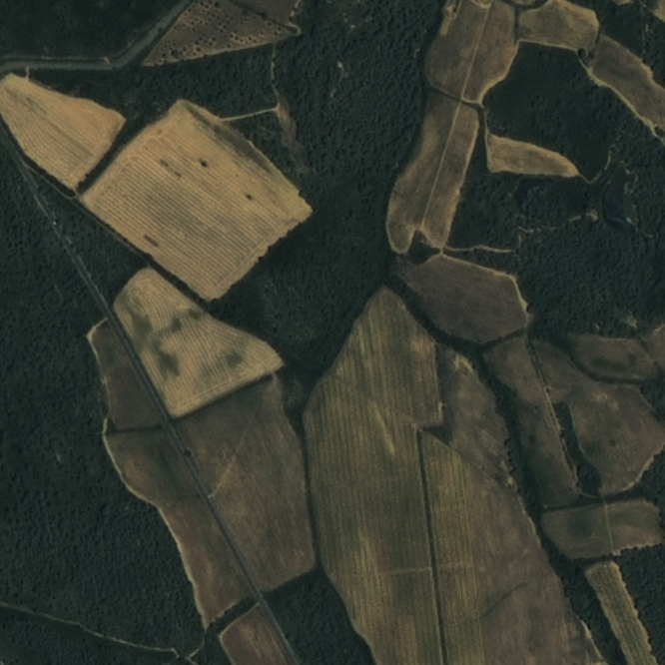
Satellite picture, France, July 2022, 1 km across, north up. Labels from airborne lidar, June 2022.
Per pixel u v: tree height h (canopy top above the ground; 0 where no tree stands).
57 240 8
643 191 10
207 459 0
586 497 9
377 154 9
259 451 0
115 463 0
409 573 0
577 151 8
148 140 0
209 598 0
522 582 0
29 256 11
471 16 0
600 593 0
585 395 0
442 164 0
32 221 9
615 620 0
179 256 0
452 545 0
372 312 0
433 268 0
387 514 0
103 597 9
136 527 10
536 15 0
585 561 7
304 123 16
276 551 0
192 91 9
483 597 0
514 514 0
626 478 0
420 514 0
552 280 11
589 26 0
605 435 0
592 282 11
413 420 0
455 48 0
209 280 0
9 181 10
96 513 7
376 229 9
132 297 0
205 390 0
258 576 0
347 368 0
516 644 0
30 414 8
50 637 14
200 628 12
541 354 0
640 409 0
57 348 10
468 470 0
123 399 0
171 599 8
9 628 10
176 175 0
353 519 0
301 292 11
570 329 7
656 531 0
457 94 0
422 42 15
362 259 6
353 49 14
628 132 13
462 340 7
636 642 0
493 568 0
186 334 0
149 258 10
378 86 12
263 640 0
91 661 11
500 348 0
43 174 8
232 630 0
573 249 12
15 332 11
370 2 8
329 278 7
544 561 0
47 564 13
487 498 0
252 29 0
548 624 0
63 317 11
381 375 0
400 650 0
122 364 0
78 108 0
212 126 0
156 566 7
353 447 0
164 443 0
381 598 0
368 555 0
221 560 0
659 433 0
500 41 0
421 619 0
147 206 0
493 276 0
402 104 11
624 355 0
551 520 0
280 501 0
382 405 0
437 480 0
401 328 0
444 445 0
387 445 0
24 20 6
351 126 12
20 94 0
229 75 9
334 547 0
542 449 0
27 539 11
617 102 11
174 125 0
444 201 0
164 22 0
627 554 12
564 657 0
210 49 0
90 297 8
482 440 0
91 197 0
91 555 10
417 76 14
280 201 0
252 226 0
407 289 9
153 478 0
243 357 0
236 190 0
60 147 0
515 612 0
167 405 0
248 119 7
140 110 11
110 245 8
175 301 0
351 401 0
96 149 0
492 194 8
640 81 0
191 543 0
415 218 0
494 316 0
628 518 0
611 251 10
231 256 0
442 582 0
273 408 0
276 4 0
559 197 8
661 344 0
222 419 0
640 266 11
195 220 0
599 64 0
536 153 0
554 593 0
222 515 0
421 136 0
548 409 0
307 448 0
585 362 0
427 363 0
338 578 0
